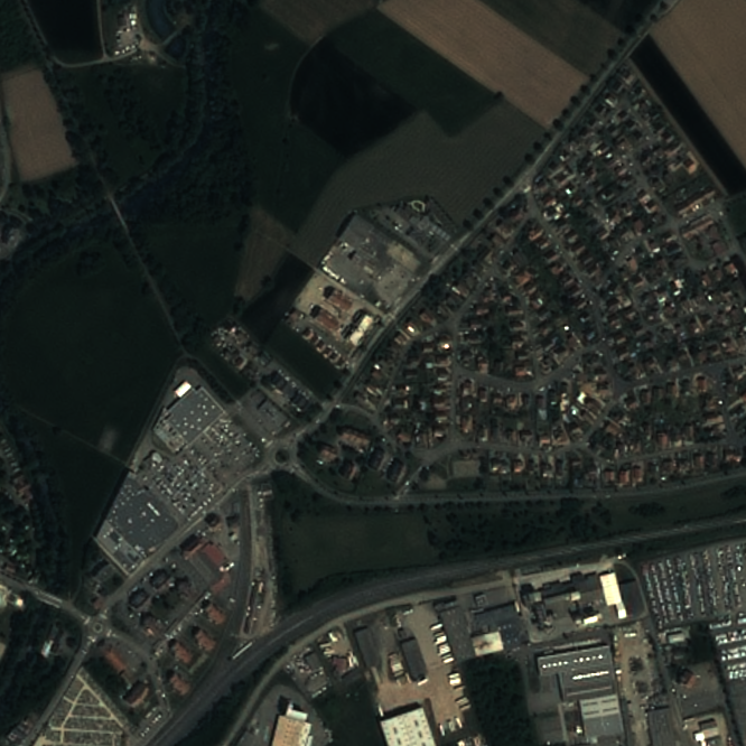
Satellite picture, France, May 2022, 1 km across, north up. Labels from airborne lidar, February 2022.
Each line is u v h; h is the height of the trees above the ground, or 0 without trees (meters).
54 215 17
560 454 0
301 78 0
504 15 0
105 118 0
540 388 0
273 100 0
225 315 0
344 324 0
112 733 0
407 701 0
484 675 10
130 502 0
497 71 0
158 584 0
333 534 0
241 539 0
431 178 0
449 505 7
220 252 0
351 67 0
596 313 0
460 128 0
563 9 0
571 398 0
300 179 0
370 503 0
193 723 0
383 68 0
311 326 0
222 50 16
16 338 0
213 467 0
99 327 0
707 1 0
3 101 0
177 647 0
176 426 0
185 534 0
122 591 0
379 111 0
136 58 0
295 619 0
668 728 0
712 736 0
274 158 0
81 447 0
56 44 0
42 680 21
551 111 0
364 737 0
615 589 0
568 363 0
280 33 0
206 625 0
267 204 0
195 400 0
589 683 0
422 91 0
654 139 0
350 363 0
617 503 0
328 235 0
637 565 0
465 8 0
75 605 0
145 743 0
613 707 0
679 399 0
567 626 0
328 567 0
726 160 0
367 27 0
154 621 0
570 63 0
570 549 0
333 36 0
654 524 0
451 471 0
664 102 0
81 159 14
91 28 0
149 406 0
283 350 0
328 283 0
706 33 0
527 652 0
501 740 6
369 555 0
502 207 0
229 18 22
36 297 0
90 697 0
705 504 0
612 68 0
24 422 13
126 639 0
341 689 0
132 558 0
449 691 0
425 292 9
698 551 0
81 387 0
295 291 0
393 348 0
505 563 0
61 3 0
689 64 0
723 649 0
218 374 0
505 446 0
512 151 0
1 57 5
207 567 0
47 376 0
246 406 0
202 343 12
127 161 0
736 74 0
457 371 0
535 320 0
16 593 0
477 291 0
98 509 0
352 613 0
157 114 0
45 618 9
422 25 0
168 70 0
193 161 10
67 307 0
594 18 0
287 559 0
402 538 0
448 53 0
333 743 0
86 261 13
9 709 19
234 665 0
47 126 0
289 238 0
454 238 0
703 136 0
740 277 7
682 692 0
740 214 0
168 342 0
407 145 0
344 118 0
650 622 0
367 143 0
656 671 0
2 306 24
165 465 0
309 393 0
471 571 0
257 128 0
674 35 0
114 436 0
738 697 0
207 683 0
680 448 0
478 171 0
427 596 0
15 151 0
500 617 0
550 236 0
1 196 0
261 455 0
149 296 12
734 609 0
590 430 0
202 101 15
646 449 0
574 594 0
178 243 0
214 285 0
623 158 0
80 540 0
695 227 0
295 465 0
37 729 0
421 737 0
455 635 0
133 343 0
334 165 0
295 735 0
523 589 0
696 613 0
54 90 8
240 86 0
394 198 0
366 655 0
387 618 0
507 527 0
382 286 0
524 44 0
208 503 0
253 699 0
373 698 0
